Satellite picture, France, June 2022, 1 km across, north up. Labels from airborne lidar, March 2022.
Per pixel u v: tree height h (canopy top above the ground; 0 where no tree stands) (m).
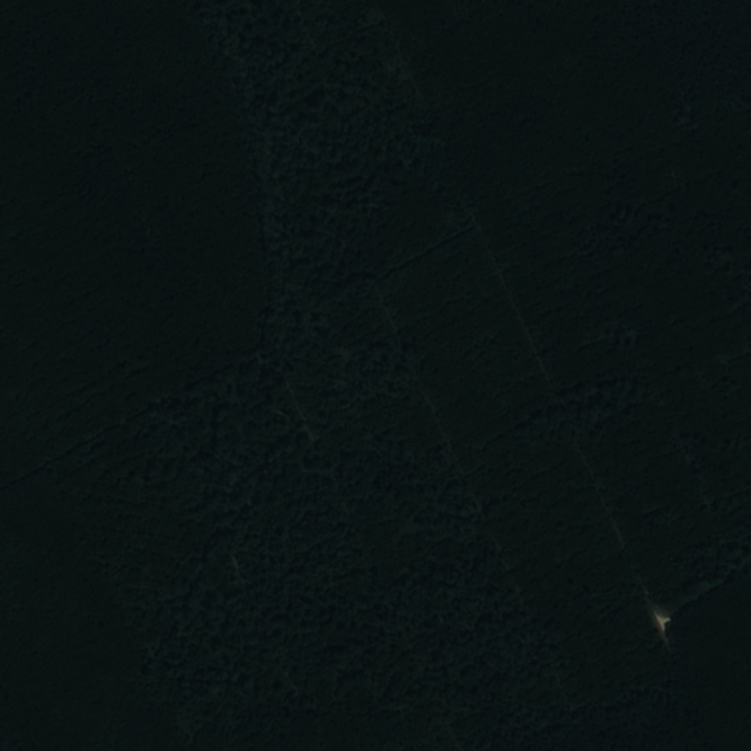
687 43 16
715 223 15
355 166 25
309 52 7
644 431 6
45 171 8
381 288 7
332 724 8
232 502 27
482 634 23
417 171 13
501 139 14
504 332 5
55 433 7
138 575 8
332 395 18
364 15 16
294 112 25
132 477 8
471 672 21
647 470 10
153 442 15
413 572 14
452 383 8
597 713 14
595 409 22
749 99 18
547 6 8
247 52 24
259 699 22
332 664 20
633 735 22
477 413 8
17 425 9
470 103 13
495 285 8
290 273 29
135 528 5
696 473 18
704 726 18
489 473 7
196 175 13
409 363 12
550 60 10
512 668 21
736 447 9
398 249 5
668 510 19
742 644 14
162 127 8
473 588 19
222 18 23
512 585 7
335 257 15
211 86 13
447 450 7
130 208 14
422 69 6
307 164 23
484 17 10
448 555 8
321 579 9
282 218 6
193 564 19
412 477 22
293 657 18
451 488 18
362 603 19
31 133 10
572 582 19
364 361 21
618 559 9
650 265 8
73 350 7
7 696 21
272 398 24
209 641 13
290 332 9
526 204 6
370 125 23
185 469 27
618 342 17
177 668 24
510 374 7
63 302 8
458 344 6
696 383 8
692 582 23
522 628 7
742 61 14
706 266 14
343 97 20
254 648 18
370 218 11
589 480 8
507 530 6
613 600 9
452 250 10
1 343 7
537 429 18
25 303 8
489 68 9
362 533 7
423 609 21
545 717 9
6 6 6
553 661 10
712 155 7
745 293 22
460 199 7
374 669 14
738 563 21
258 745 7
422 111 8
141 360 15
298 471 23
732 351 11
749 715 14
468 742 9
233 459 23
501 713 7
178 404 24
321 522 18
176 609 21
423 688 22
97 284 8
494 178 11
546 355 16
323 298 24
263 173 16
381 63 20
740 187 17
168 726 9
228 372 27
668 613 0
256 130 18
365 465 20
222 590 15
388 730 9
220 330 13
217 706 24
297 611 20
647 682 8
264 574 10
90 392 6
